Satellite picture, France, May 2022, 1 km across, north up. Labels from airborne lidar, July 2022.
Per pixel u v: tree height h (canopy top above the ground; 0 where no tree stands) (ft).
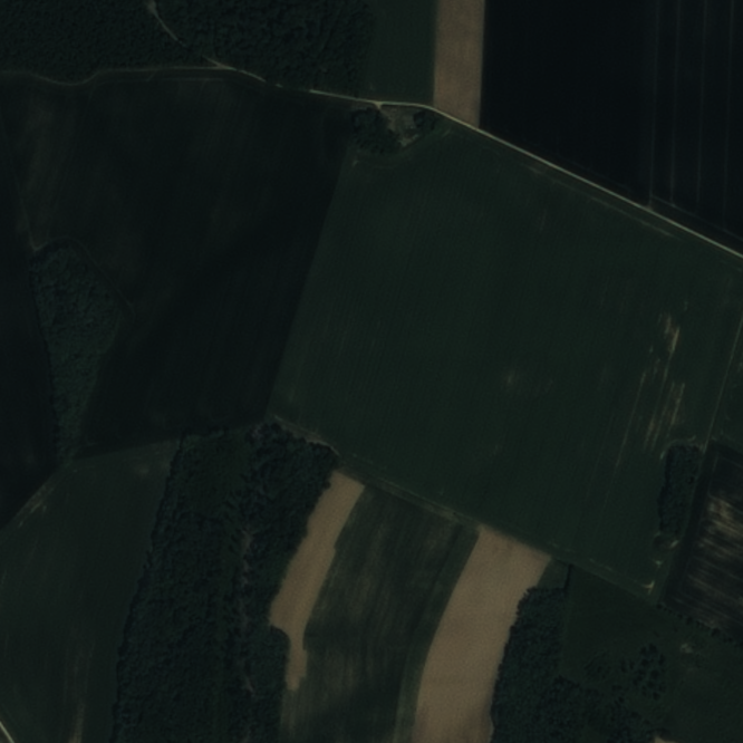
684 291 0
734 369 0
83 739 0
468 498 0
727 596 0
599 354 0
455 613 0
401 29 0
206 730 61
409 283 0
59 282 66
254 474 56
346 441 0
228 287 0
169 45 63
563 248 0
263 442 74
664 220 0
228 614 63
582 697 65
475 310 0
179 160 0
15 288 0
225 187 0
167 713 58
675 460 63
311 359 0
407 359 0
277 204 0
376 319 0
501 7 0
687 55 0
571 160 0
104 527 0
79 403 74
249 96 0
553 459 0
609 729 23
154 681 67
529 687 82
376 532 0
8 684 0
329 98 0
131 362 0
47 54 52
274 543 67
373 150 32
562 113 0
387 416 0
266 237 0
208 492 19
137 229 0
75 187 0
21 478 0
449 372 0
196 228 0
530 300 0
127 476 0
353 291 0
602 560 0
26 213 0
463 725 0
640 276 0
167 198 0
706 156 0
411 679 0
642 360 0
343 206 0
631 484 0
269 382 0
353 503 0
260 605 58
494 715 50
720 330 0
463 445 0
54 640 0
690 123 0
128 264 0
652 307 0
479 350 0
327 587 0
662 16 0
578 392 0
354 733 0
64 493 0
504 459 0
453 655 0
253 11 72
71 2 68
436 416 0
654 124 0
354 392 0
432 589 0
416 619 0
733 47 0
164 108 0
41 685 0
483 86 0
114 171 0
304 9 21
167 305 0
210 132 0
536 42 0
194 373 0
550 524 0
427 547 0
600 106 0
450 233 0
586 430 0
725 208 0
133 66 55
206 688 70
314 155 0
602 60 0
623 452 0
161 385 0
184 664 76
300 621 0
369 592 0
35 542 0
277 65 72
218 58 54
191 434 62
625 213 0
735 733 0
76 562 0
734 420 0
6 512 0
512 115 0
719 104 0
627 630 0
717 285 0
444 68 0
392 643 0
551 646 70
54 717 0
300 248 0
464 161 0
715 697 0
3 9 66
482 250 0
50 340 64
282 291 0
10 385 0
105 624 0
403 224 0
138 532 0
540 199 0
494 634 0
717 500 0
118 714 69
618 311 0
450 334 0
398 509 0
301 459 64
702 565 0
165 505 44
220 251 0
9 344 0
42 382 0
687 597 0
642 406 0
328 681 0
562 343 0
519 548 0
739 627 0
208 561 66
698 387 0
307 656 0
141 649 71
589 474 0
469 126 0
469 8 0
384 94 0
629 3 0
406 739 0
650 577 0
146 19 64
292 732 0
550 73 0
